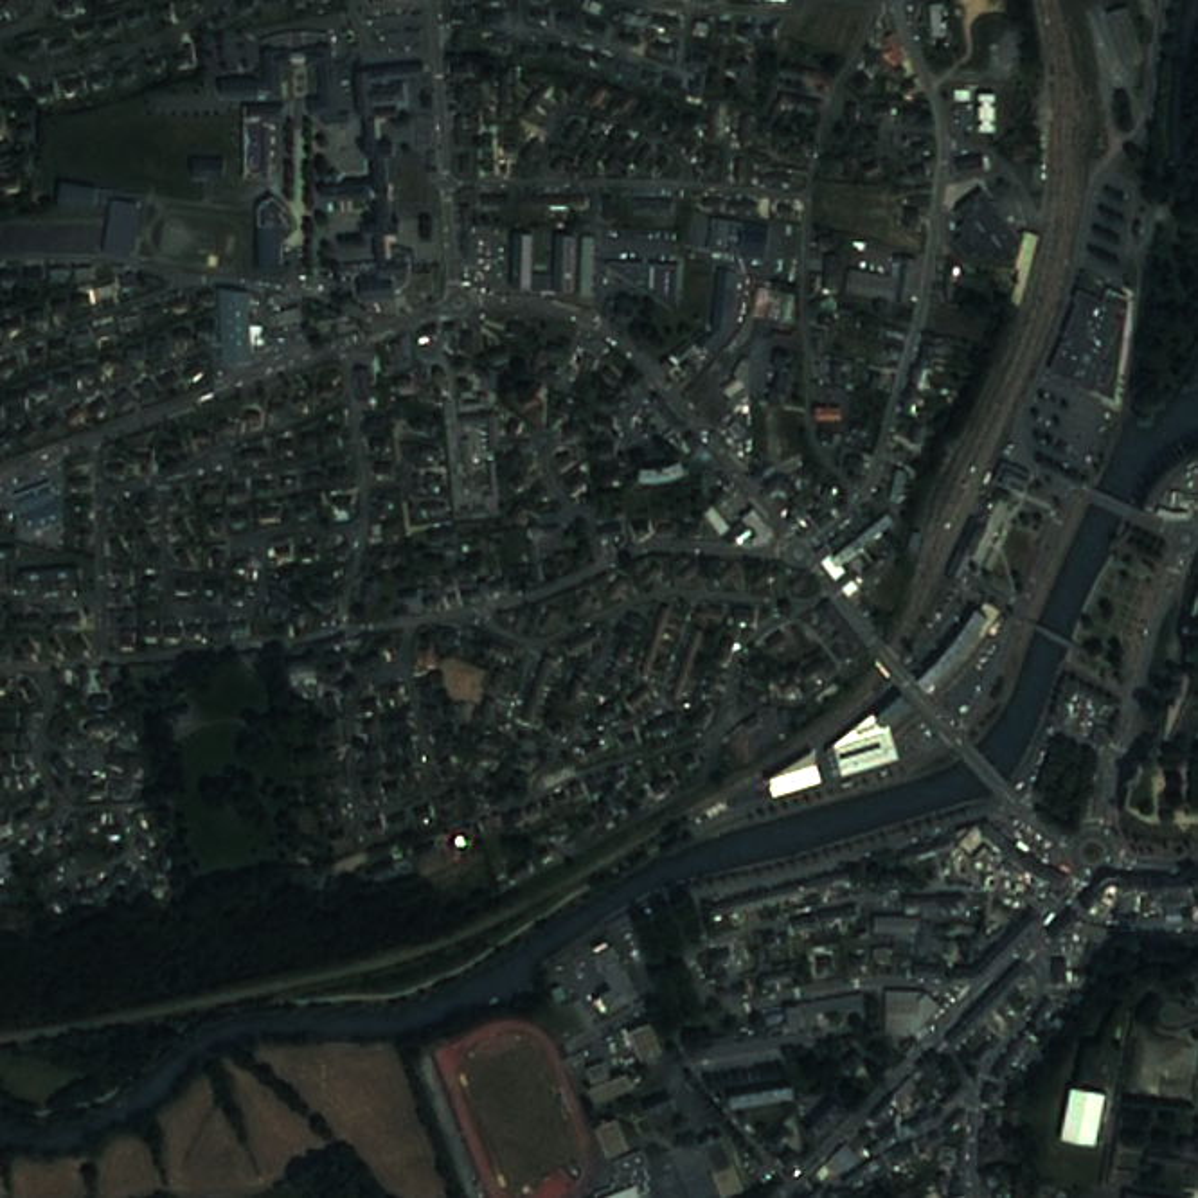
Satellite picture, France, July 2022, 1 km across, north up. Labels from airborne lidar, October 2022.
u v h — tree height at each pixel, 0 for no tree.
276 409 0
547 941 0
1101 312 0
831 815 0
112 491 0
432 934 14
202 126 0
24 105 10
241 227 0
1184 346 8
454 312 0
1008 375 0
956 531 0
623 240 0
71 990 20
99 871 0
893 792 0
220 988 15
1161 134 20
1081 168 0
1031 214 0
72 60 0
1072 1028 6
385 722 7
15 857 6
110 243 0
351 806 0
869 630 0
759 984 7
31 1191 0
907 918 0
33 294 8
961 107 0
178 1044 12
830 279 0
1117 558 7
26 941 10
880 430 6
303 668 0
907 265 0
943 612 0
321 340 11
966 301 12
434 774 0
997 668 0
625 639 6
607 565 0
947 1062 15
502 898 10
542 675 0
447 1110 0
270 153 0
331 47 0
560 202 0
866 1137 9
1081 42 0
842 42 0
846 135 9
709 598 0
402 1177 0
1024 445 0
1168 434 0
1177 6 7
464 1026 7
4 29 0
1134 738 0
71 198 0
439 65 0
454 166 0
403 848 9
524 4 0
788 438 0
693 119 9
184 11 0
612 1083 0
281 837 8
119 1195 0
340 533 0
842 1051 10
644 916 19
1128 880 0
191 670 23
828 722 0
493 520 6
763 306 0
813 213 0
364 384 0
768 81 7
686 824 8
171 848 9
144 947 12
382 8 0
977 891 0
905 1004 0
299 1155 0
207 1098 0
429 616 0
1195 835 0
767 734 0
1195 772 11
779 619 0
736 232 0
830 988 0
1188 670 7
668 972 18
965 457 0
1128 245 0
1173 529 0
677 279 0
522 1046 0
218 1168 0
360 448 0
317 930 22
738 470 0
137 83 0
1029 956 0
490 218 10
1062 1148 0
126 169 0
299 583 11
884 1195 7
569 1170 0
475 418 0
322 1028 0
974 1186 0
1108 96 0
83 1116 12
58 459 0
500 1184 0
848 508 9
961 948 7
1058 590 0
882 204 0
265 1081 7
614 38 0
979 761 0
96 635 0
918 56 0
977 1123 0
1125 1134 12
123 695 8
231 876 19
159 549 8
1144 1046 0
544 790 0
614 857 0
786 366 0
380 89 0
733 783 0
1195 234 20
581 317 0
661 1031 15
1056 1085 0
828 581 0
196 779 0
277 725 17
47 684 0
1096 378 0
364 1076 0
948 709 0
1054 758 12
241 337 0
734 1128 13
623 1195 0
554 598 0
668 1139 0
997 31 0
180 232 0
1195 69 19
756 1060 0
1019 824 0
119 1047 17
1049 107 0
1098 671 0
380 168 0
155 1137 15
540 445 0
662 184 0
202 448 0
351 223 0
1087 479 7
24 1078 0
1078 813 9
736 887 0
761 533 0
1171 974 16
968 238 0
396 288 0
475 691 0
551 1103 0
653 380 0
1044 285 0
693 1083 13
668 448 9
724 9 0
